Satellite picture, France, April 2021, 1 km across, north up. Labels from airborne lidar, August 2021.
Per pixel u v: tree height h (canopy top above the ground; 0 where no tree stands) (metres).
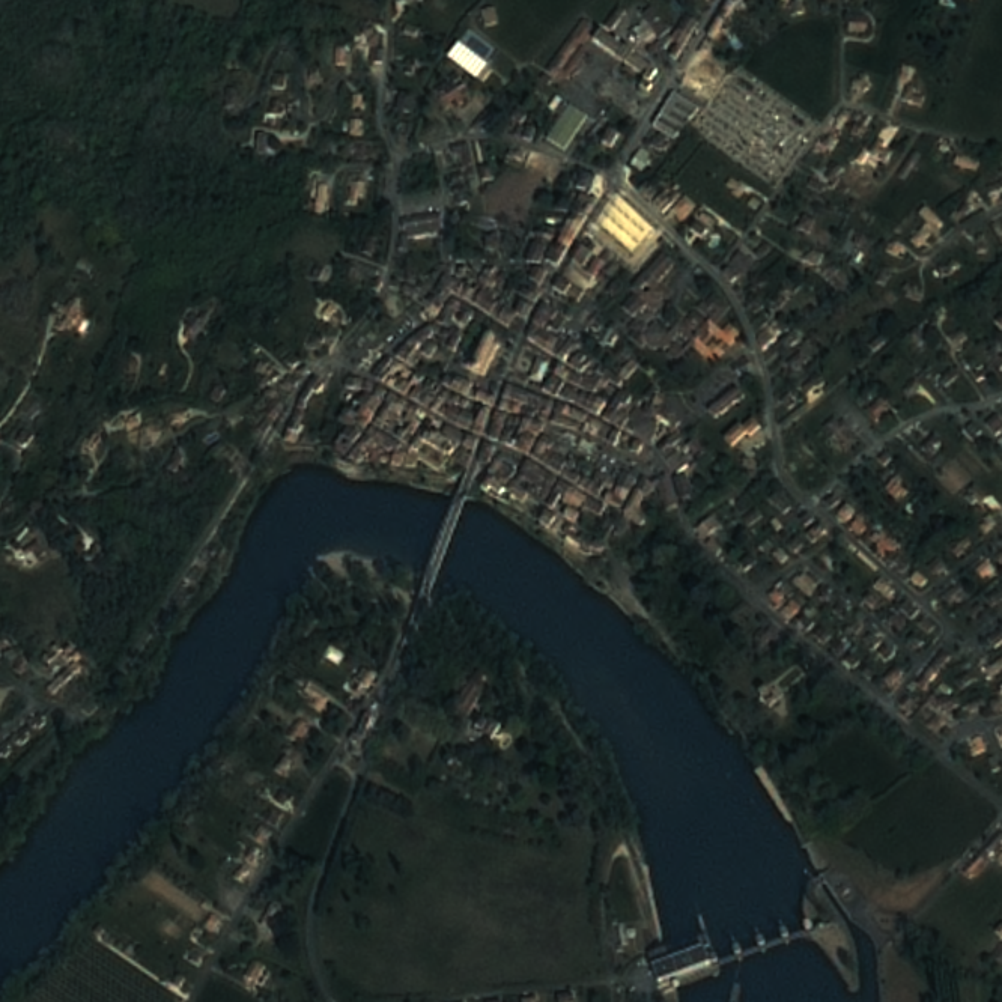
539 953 0
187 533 18
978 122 0
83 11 10
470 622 32
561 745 28
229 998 0
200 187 17
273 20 12
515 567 0
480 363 0
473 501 0
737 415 0
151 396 17
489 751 11
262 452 12
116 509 10
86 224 6
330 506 0
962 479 0
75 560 12
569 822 14
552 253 0
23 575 0
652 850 0
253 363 6
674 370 15
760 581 17
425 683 28
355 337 9
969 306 13
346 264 8
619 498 0
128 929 0
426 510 0
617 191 9
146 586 16
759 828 0
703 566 18
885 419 10
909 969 0
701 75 0
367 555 0
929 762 12
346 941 0
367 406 0
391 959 0
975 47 0
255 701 15
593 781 19
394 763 8
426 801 0
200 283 7
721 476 7
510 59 0
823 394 0
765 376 0
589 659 0
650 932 0
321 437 8
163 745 0
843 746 0
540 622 0
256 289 11
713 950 0
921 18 8
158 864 6
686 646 11
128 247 9
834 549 13
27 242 9
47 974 12
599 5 0
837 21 0
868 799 7
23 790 30
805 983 0
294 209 10
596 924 6
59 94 10
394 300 0
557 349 0
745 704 18
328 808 0
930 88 0
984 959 9
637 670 0
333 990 0
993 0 0
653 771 0
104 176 18
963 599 12
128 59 8
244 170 14
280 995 6
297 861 21
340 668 0
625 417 0
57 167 9
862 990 0
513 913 0
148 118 16
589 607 0
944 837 0
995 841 0
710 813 0
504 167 15
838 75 0
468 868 0
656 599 20
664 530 9
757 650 10
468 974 0
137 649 0
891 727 18
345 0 0
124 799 0
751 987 0
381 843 0
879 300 10
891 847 0
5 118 9
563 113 0
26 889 0
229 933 0
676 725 0
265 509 0
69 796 0
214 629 0
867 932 0
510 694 20
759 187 0
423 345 0
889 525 7
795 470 0
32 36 7
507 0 0
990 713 8
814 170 7
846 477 8
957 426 5
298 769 0
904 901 0
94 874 0
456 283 0
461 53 0
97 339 0
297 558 0
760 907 0
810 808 9
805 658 11
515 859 0
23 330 0
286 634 16
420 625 23
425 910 0
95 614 13
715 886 0
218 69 12
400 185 8
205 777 17
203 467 5
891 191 0
